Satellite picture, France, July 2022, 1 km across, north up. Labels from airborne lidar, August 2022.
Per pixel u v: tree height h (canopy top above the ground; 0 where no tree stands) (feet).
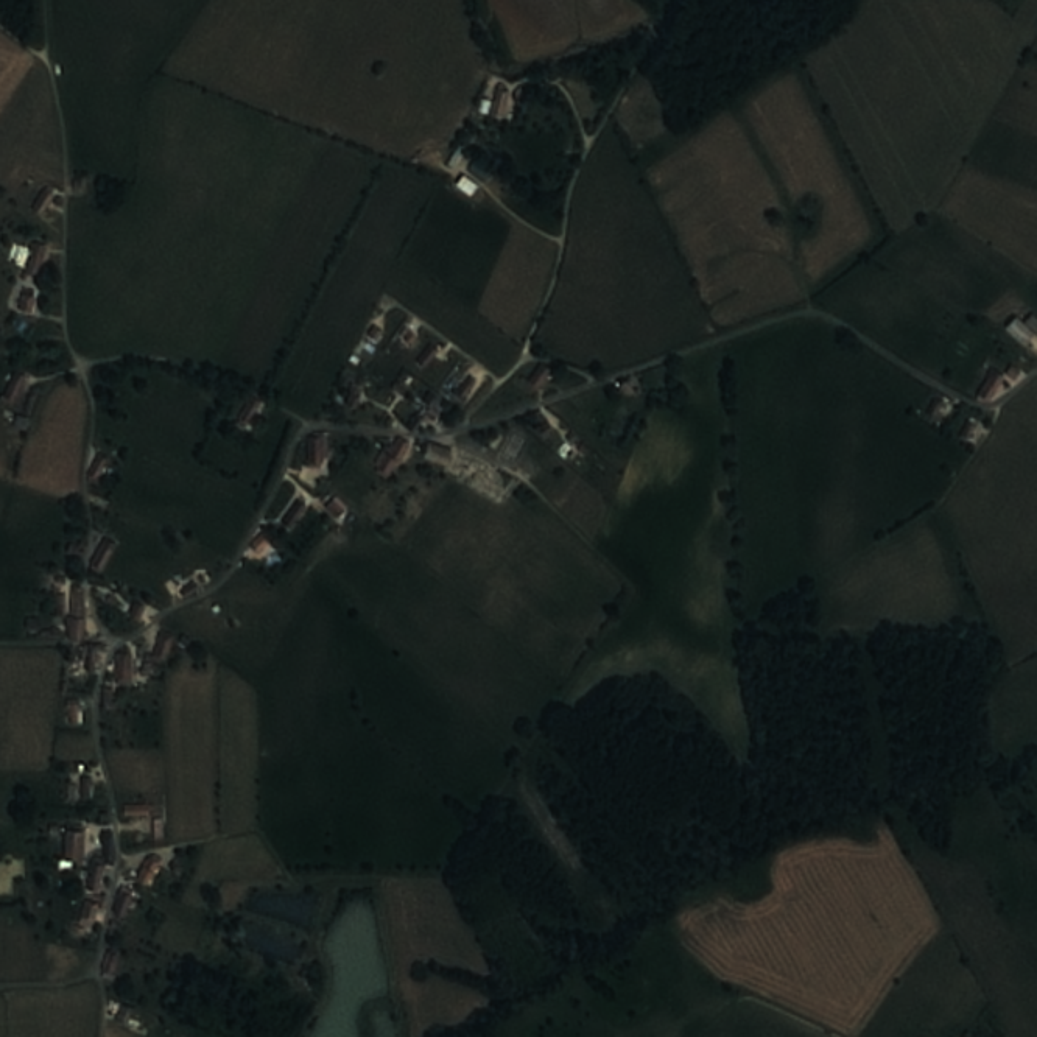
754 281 0
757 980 0
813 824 59
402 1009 0
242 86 0
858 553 0
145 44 0
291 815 0
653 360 0
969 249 0
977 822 0
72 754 0
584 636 0
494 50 51
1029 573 0
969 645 66
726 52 75
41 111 0
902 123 0
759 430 0
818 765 68
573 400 0
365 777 0
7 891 0
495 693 0
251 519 0
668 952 0
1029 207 0
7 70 0
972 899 0
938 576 0
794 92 0
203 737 0
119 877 0
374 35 0
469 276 0
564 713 63
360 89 0
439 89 0
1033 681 0
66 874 23
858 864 0
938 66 0
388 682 0
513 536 0
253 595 0
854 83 0
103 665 0
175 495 0
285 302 0
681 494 0
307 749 0
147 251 0
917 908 0
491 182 0
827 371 0
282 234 0
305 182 0
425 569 0
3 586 0
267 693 0
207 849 0
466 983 45
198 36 0
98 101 0
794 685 72
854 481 0
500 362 0
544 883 67
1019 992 0
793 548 0
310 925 0
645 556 0
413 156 0
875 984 0
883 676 39
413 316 0
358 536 0
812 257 0
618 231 0
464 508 0
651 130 0
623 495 0
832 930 0
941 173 0
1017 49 0
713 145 0
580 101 0
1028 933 0
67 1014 0
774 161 0
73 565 44
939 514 0
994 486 0
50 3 0
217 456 0
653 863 82
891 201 0
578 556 0
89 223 0
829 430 0
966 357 0
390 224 0
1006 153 0
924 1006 0
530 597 0
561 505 0
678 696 21
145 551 0
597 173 0
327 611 0
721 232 0
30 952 0
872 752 80
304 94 0
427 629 0
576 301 0
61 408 0
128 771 0
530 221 0
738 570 39
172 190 0
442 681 0
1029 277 0
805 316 0
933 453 0
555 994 65
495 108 0
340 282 0
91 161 0
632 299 0
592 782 77
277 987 73
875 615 0
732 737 0
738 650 44
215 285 0
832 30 63
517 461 0
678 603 0
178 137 0
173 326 0
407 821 0
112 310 0
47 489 0
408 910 0
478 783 0
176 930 0
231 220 0
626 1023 0
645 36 64
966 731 79
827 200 0
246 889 0
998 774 65
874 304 0
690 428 0
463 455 0
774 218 47
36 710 0
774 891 0
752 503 0
